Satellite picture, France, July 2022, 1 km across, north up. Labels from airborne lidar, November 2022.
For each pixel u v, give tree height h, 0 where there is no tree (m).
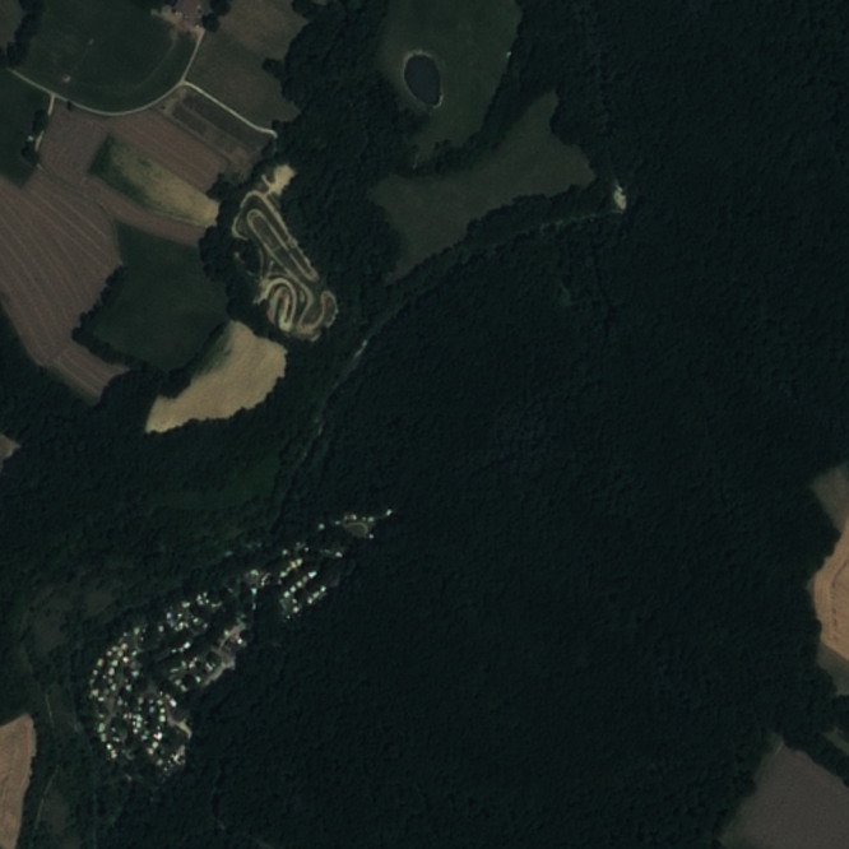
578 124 20
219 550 6
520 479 24
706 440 28
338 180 17
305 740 23
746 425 25
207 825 23
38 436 22
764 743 29
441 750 26
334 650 25
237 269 24
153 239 0
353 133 14
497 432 18
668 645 22
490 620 27
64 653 8
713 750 28
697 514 22
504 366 22
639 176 23
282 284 0
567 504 23
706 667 16
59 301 0
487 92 0
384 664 25
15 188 0
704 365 29
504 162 0
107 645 7
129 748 12
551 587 24
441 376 23
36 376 19
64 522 16
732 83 25
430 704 25
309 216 18
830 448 29
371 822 22
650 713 26
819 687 26
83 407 13
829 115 15
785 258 27
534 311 24
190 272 0
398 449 22
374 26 10
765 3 22
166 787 26
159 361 0
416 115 11
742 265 27
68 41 0
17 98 0
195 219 0
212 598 12
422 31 0
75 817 9
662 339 27
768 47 24
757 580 27
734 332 23
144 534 11
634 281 25
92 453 20
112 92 0
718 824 9
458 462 25
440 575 27
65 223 0
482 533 21
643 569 24
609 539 26
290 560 6
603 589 20
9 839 0
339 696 23
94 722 10
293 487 16
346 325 18
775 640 26
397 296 19
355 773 25
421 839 28
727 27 23
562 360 28
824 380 28
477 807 27
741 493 30
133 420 21
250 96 0
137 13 0
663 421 26
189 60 0
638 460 27
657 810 25
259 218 0
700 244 27
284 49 0
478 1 0
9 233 0
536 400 18
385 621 26
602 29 16
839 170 27
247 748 23
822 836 0
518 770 24
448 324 23
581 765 26
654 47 22
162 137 0
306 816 19
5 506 21
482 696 26
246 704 25
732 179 23
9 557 24
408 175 11
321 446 11
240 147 0
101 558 21
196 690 14
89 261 0
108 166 0
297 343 12
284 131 10
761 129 25
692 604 27
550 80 21
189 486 15
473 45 0
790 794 0
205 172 0
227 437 18
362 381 14
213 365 0
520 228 23
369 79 10
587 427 25
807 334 25
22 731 0
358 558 24
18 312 0
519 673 26
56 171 0
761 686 27
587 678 27
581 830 25
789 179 22
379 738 27
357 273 20
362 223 15
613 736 27
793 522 26
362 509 25
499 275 22
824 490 0
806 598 28
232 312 15
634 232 24
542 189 0
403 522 28
